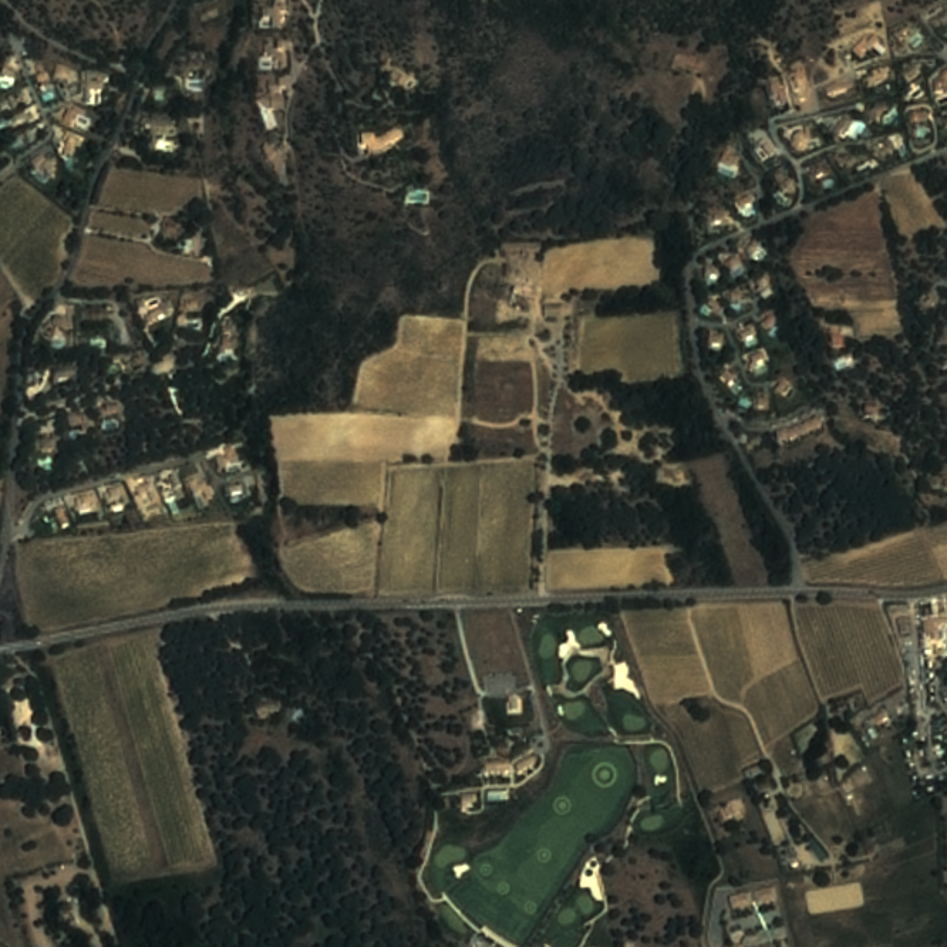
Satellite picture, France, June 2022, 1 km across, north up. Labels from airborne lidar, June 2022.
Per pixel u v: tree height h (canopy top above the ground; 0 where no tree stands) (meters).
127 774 0
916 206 0
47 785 11
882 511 13
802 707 0
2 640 8
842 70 0
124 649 0
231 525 0
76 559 0
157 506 0
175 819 0
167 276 0
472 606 0
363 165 6
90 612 0
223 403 7
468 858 0
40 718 13
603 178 11
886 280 0
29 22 6
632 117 10
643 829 0
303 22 8
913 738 6
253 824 12
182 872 0
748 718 0
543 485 0
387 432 0
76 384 12
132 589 0
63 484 10
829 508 13
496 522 0
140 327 8
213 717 12
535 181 7
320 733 12
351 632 12
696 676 0
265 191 10
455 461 9
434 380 0
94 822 0
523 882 0
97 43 9
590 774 0
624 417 10
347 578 0
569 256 0
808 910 0
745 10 8
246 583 5
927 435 6
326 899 10
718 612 0
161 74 8
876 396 10
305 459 0
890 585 0
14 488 0
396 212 6
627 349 0
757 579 0
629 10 8
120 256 0
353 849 11
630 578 0
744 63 10
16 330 12
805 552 9
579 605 6
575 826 0
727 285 10
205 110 7
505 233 11
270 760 12
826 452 11
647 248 0
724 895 0
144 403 11
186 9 7
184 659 12
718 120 9
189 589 0
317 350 7
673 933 12
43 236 0
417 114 7
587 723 0
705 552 7
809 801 0
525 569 0
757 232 10
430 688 10
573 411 0
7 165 7
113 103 10
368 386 0
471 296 0
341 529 0
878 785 0
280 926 14
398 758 11
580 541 12
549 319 5
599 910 0
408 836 12
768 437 9
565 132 7
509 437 0
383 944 13
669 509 10
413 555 0
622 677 0
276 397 7
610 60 7
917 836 0
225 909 12
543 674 0
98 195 9
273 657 8
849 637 0
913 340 12
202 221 13
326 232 6
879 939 0
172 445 9
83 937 10
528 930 0
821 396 6
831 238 0
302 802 13
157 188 0
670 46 0
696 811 0
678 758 0
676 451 10
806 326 13
